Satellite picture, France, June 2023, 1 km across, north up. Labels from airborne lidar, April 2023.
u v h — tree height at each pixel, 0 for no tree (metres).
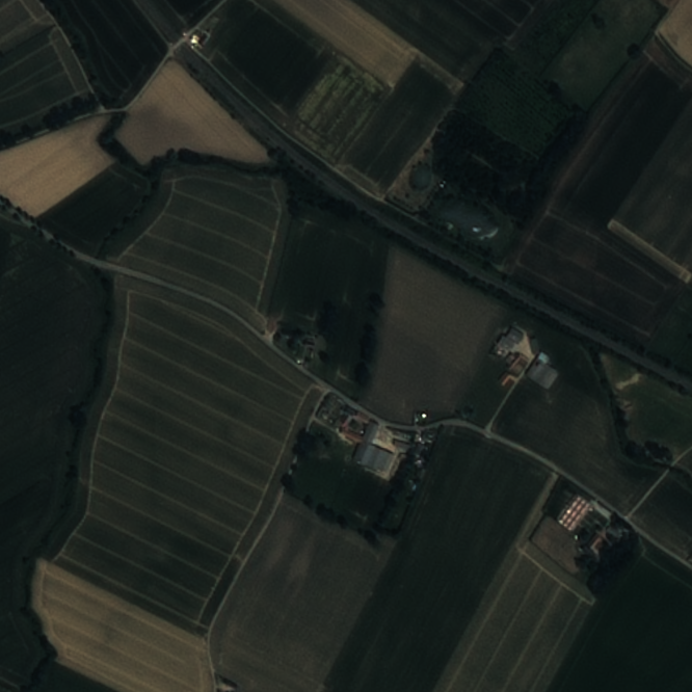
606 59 0
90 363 0
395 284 0
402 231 0
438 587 0
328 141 0
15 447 0
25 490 0
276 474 0
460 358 0
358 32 0
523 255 0
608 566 21
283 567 0
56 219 0
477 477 0
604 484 0
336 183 0
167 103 0
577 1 0
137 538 0
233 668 0
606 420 0
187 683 0
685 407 0
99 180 0
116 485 0
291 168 9
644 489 0
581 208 0
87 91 0
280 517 0
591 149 0
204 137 0
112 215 0
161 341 0
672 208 0
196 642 0
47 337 0
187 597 0
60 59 0
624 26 0
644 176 0
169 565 0
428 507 0
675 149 0
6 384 0
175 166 0
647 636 0
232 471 0
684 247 0
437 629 0
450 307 0
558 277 0
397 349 0
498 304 0
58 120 23
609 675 0
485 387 0
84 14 0
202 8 0
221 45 0
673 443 0
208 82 0
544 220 0
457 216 0
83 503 0
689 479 8
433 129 0
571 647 0
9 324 0
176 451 0
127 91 0
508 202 18
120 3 0
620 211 0
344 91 0
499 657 0
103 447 0
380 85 0
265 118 0
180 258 0
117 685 0
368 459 0
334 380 0
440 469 0
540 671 0
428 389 0
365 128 0
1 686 0
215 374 0
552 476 0
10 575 0
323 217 0
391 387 0
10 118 0
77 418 19
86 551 0
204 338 0
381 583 0
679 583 0
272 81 0
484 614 0
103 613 0
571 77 0
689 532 0
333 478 0
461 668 0
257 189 0
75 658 0
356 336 0
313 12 0
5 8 0
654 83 0
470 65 0
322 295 0
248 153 0
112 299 0
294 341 12
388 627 0
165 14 0
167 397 0
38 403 0
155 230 0
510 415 0
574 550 0
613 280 0
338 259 0
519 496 0
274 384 0
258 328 0
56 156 0
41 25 0
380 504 0
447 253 0
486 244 0
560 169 0
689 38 0
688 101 0
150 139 0
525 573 0
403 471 11
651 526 0
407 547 0
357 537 0
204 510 0
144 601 0
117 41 0
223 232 0
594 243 0
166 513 0
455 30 0
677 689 0
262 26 0
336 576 0
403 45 0
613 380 0
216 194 0
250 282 0
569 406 0
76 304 0
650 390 0
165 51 0
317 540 0
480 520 0
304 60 0
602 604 0
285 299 0
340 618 0
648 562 0
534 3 0
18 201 0
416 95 0
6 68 0
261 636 0
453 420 0
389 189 0
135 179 0
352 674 0
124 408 0
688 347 0
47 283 0
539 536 0
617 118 0
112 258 0
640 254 0
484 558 0
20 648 0
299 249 0
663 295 0
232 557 0
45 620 0
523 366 0
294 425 0
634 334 0
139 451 0
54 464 0
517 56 0
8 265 0
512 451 0
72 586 0
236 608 0
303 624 0
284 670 0
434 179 0
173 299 0
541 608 0
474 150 7
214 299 0
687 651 0
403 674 0
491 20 0
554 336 0
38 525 0
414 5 0
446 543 0
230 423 0
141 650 0
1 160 0
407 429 0
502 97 0
